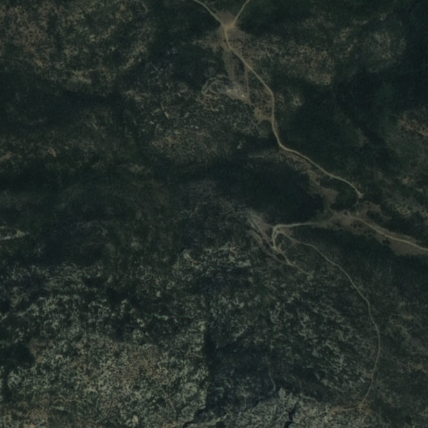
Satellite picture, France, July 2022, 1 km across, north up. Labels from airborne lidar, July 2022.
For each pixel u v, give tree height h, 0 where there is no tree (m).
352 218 0
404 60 6
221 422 8
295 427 0
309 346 7
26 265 6
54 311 5
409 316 0
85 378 0
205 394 6
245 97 0
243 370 6
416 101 8
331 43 5
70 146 7
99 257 6
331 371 6
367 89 6
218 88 0
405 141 0
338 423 6
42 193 7
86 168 7
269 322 7
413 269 8
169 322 6
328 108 7
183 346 7
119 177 7
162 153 8
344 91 6
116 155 6
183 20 6
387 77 6
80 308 6
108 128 7
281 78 5
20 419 6
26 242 7
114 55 7
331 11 7
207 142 6
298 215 7
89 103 5
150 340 6
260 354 7
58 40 6
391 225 8
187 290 6
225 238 6
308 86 8
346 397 0
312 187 0
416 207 0
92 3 0
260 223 0
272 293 6
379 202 5
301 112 9
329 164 5
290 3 6
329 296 5
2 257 7
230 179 6
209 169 6
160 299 6
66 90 7
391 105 6
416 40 6
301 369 6
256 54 0
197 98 0
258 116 0
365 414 0
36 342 0
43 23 0
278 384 5
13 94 7
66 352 6
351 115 8
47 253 6
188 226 6
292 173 6
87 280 9
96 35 6
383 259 7
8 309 6
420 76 7
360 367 0
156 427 6
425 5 7
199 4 6
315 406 0
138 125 6
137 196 6
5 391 6
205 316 7
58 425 0
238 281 5
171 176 6
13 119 6
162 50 6
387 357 0
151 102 5
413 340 0
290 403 0
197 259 6
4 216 6
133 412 6
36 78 5
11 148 5
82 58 6
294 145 6
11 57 7
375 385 0
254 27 7
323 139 6
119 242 6
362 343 0
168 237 5
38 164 6
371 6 7
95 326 7
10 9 0
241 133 6
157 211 6
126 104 7
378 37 0
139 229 6
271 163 6
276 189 8
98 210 5
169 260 8
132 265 6
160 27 7
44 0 0
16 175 7
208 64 5
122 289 7
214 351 7
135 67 6
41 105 6
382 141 6
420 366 0
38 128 6
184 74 6
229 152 5
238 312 6
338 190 6
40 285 6
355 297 0
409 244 0
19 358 5
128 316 6
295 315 5
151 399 6
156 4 6
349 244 6
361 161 6
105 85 7
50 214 7
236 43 0
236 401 8
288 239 0
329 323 6
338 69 6
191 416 6
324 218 0
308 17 6
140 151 6
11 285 6
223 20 0
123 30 6
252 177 7
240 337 9
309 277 0
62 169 6
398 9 10
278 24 7
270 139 7
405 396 0
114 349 0
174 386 6
